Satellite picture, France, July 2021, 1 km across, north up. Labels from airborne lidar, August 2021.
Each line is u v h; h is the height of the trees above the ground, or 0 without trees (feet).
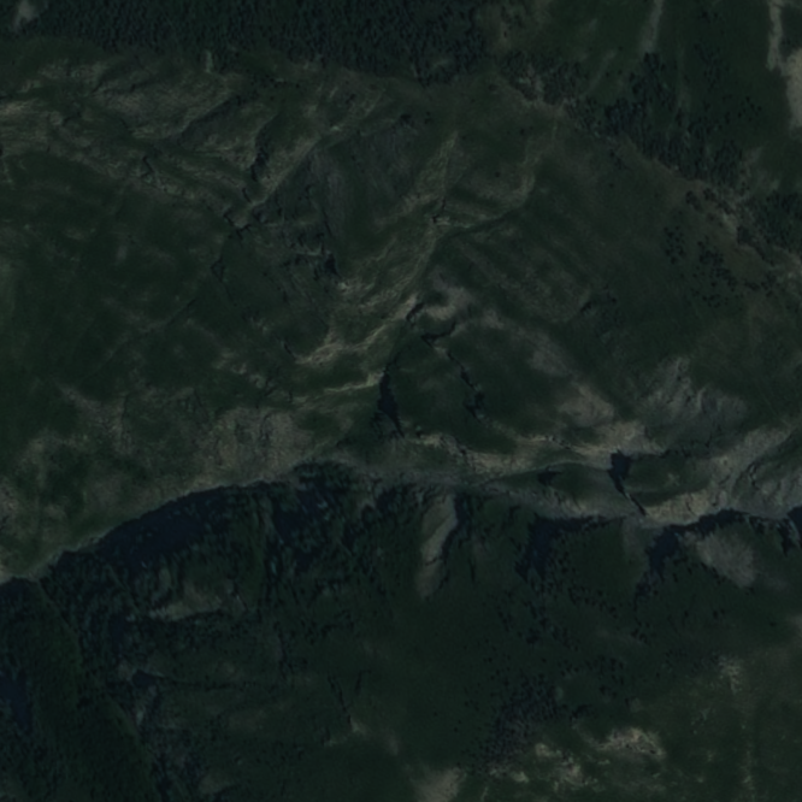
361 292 49
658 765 0
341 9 32
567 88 27
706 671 0
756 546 0
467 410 0
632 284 0
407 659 0
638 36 0
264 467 0
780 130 0
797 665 0
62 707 55
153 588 24
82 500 20
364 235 0
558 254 0
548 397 0
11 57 0
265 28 28
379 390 0
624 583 0
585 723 0
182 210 0
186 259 0
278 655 0
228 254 0
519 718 24
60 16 22
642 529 0
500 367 0
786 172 0
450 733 0
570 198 0
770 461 0
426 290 0
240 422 22
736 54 0
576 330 0
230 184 0
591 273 0
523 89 25
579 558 0
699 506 0
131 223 0
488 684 0
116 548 65
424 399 0
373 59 33
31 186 0
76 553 54
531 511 0
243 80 0
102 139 0
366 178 0
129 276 0
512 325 0
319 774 0
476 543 0
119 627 31
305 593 26
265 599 30
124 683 43
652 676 0
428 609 0
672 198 0
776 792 0
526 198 0
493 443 0
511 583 0
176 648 22
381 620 0
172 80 0
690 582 0
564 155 0
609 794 0
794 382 0
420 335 0
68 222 0
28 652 30
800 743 0
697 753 0
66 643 59
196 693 0
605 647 0
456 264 0
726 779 0
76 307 0
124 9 33
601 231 0
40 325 0
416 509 19
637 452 0
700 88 0
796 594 0
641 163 0
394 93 0
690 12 0
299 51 30
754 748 0
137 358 0
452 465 0
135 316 0
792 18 0
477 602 0
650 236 0
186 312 0
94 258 0
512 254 0
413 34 28
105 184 0
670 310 0
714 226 0
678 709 0
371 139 0
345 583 42
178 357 0
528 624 0
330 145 0
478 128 0
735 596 0
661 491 0
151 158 0
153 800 56
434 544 0
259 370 0
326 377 0
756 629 0
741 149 26
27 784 31
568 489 0
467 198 0
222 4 20
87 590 32
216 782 0
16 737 37
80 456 23
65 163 0
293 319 0
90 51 0
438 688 0
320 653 0
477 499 20
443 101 0
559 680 0
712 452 0
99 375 0
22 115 0
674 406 0
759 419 0
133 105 0
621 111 27
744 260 0
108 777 44
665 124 0
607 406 0
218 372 0
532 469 0
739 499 0
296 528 23
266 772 0
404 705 0
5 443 0
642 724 0
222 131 0
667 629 0
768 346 0
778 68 0
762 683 0
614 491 0
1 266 0
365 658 0
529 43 0
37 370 0
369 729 0
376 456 0
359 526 23
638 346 0
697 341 0
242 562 24
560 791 0
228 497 18
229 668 0
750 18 0
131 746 32
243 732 0
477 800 0
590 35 0
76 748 52
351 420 0
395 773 0
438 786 0
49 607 54
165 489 0
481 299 0
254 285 0
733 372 0
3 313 0
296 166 0
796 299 0
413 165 0
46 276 0
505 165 0
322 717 0
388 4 23
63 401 0
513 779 0
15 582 69
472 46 26
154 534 47
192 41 33
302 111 0
